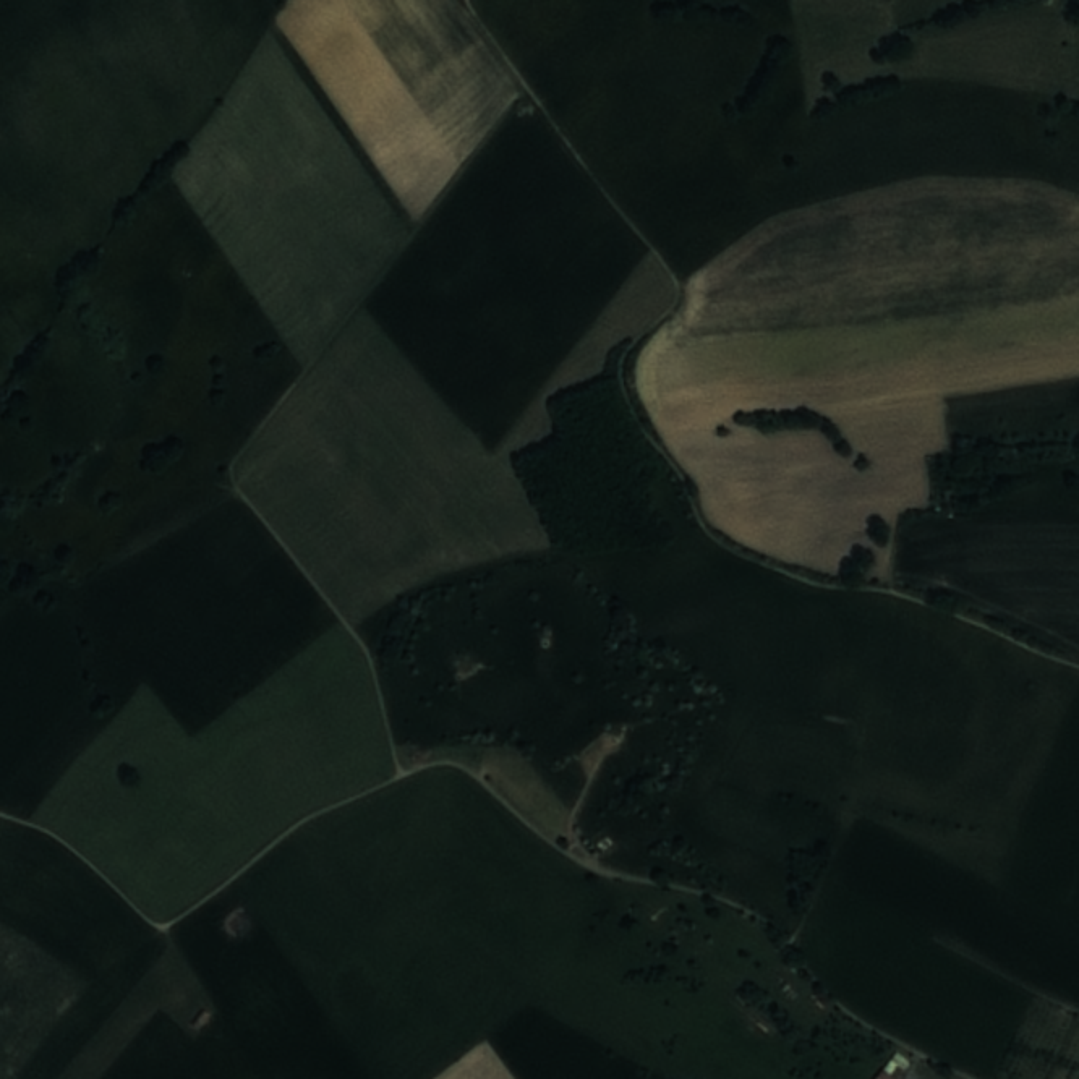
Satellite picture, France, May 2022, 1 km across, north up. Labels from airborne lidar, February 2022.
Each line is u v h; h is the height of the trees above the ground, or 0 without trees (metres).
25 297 0
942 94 0
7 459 0
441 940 0
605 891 0
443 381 0
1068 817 0
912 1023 0
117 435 0
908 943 0
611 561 0
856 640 0
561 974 0
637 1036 0
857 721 0
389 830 0
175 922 0
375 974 0
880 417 0
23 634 0
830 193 0
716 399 0
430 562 0
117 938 0
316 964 0
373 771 0
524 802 0
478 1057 0
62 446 0
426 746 0
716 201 0
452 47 0
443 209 0
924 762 0
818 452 0
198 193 0
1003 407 0
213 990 0
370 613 0
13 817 0
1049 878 0
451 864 0
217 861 0
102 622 0
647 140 0
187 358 0
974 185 0
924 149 0
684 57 0
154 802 0
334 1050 0
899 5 0
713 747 0
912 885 0
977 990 0
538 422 0
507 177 0
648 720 6
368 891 0
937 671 0
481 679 0
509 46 0
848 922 0
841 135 0
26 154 0
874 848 0
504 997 0
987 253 0
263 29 0
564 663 0
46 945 0
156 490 0
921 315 0
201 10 0
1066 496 0
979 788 0
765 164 0
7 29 0
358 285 0
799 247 0
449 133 0
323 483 0
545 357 0
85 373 0
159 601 0
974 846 0
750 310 0
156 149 0
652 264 0
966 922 0
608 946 0
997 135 0
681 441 0
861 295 0
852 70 0
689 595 0
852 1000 0
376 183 0
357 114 0
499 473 0
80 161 0
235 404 0
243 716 0
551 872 0
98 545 0
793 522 0
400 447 0
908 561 0
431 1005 0
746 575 0
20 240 0
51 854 0
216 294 0
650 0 0
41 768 0
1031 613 0
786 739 0
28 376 13
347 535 0
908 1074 0
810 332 0
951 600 13
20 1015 0
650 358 0
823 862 7
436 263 0
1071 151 0
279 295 0
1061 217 0
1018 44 0
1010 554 0
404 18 0
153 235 0
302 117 0
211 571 0
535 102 0
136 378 8
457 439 0
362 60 0
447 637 0
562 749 0
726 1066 0
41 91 0
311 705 0
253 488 0
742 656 0
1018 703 0
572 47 0
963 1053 0
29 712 0
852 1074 0
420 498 0
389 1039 0
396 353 0
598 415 16
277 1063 0
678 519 0
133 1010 0
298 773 0
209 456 0
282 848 0
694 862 8
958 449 11
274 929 0
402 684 0
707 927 0
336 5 0
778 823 0
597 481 14
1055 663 0
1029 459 9
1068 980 0
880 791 0
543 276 0
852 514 0
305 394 0
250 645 0
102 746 0
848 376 0
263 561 0
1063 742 0
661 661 8
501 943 0
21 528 0
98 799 0
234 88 0
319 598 0
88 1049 0
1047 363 0
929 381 0
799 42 0
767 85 15
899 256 0
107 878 0
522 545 0
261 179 0
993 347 0
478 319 0
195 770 0
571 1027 0
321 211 0
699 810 0
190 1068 0
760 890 0
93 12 0
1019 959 0
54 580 0
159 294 0
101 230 0
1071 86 0
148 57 0
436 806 0
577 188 0
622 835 0
